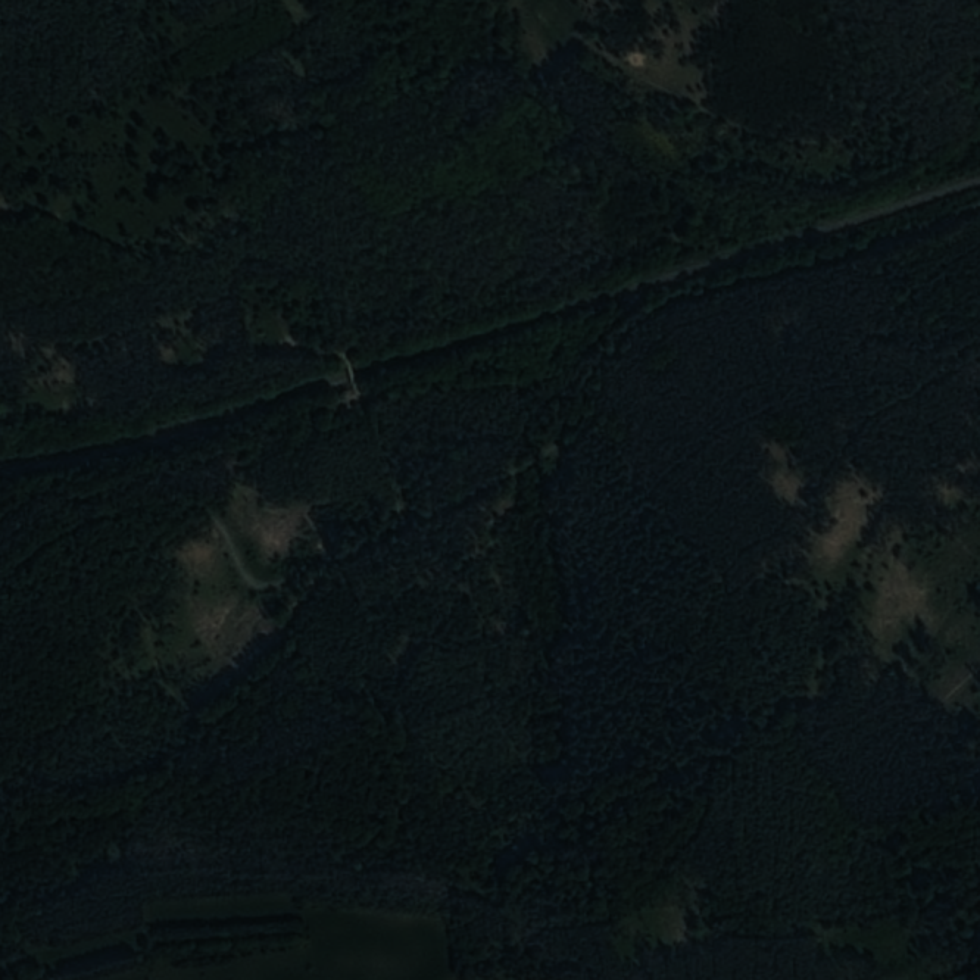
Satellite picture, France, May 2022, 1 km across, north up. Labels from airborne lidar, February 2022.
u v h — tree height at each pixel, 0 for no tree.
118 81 20
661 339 25
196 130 0
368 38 12
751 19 15
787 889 21
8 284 26
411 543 29
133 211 0
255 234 30
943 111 25
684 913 0
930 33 20
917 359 22
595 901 25
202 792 21
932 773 26
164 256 30
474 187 20
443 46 8
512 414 11
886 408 22
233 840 21
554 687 38
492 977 16
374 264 20
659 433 23
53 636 28
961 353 21
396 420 12
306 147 29
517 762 14
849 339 25
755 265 23
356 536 35
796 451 23
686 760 12
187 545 0
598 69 12
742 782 17
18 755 24
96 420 22
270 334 0
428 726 23
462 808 11
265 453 16
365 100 25
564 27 0
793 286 25
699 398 21
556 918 22
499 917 22
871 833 22
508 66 32
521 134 24
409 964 0
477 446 27
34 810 26
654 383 25
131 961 22
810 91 14
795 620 13
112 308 26
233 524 0
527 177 25
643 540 30
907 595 0
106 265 25
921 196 0
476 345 18
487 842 9
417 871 26
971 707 0
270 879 24
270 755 29
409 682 19
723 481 17
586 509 36
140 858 22
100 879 26
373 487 14
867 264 24
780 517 23
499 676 19
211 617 0
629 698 32
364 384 18
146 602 8
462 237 23
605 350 17
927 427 23
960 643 0
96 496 30
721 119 17
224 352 28
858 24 23
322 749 24
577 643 33
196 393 28
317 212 30
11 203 24
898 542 0
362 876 23
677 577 35
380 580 30
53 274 28
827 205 17
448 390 10
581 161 24
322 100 25
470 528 24
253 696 26
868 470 28
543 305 18
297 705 23
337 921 0
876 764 30
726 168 15
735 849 23
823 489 23
